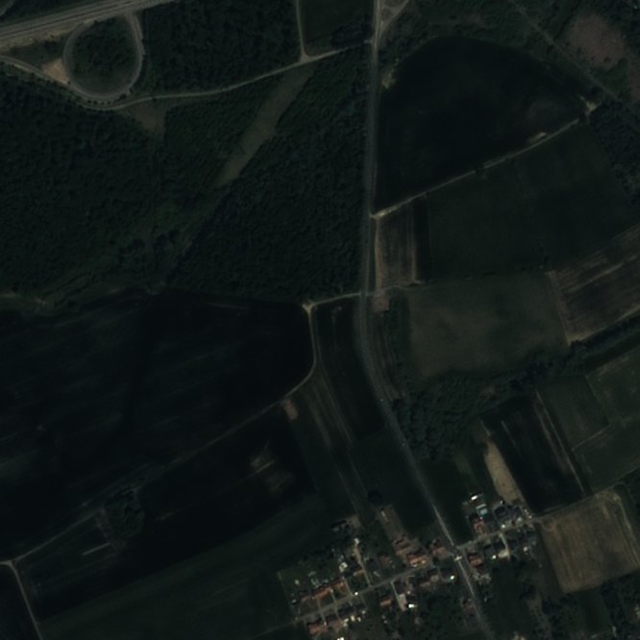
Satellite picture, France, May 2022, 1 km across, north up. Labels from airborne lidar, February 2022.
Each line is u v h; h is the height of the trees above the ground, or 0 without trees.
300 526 0
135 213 18
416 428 23
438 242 0
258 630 0
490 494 0
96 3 0
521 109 0
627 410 0
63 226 19
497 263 0
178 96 0
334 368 0
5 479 0
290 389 0
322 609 0
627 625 16
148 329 0
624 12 23
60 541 0
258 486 0
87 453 0
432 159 0
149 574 0
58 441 0
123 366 0
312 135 8
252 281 19
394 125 0
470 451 0
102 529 0
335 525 7
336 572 0
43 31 0
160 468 0
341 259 8
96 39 7
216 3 24
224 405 0
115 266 7
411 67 0
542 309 0
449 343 0
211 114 7
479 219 0
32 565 0
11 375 0
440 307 0
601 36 0
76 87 0
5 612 0
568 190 0
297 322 0
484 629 0
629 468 0
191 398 0
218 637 0
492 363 0
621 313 0
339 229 14
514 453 0
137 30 0
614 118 18
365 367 0
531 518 0
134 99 0
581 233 0
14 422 0
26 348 0
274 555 0
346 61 6
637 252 0
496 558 0
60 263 17
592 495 0
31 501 0
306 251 22
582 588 0
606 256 0
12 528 0
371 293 0
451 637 0
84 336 0
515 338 0
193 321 0
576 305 0
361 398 0
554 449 0
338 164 11
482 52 0
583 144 0
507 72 0
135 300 0
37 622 0
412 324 0
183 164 6
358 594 0
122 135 19
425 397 7
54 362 0
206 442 0
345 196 11
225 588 0
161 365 0
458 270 0
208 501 0
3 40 0
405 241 0
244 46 24
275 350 0
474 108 0
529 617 0
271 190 24
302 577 0
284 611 0
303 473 0
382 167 0
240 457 0
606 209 0
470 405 7
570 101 0
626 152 15
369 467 0
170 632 0
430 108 0
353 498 0
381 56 14
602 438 0
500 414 0
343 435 0
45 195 24
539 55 0
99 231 21
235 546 0
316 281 22
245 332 0
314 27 0
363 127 11
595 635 0
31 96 28
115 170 25
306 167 5
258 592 0
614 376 0
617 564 0
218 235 21
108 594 0
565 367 6
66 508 0
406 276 0
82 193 24
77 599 0
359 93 18
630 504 0
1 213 15
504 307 0
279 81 7
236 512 0
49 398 0
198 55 23
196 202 16
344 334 0
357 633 0
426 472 0
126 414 0
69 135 10
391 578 0
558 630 17
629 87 0
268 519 0
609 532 0
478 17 0
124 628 0
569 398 0
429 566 0
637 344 0
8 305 0
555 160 0
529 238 0
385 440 0
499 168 0
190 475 0
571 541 0
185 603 0
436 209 0
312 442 0
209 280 23
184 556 0
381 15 0
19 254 19
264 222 25
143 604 0
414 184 0
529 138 0
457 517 0
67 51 0
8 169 17
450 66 0
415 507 0
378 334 0
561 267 0
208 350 0
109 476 0
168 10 11
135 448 0
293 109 6
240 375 0
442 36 0
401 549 0
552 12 6
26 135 30
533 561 0
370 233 0
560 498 0
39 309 0
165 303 0
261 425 0
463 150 0
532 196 0
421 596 0
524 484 0
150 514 0
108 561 0
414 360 0
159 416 0
